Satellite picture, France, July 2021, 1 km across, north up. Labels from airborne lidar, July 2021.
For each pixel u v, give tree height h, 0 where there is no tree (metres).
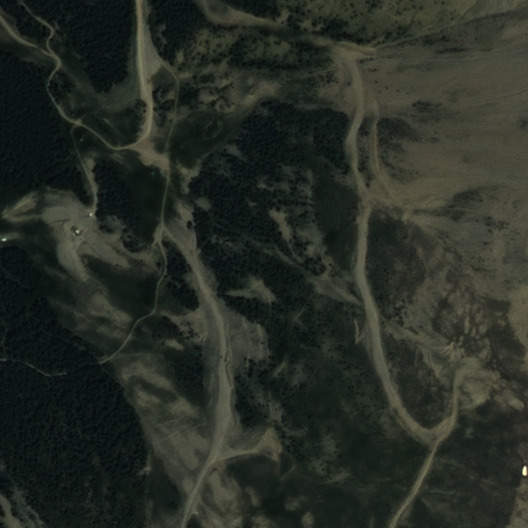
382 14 0
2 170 24
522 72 0
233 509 0
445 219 0
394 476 0
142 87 0
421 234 0
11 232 0
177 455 0
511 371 0
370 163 0
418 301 0
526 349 0
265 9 8
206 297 0
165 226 0
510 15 0
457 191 0
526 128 0
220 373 0
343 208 0
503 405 0
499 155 0
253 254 7
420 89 0
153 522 0
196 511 0
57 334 16
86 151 0
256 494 0
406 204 0
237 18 0
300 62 9
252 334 0
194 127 0
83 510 6
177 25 9
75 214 0
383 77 0
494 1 0
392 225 0
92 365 14
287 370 0
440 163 0
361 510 0
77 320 0
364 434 0
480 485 0
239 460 0
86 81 0
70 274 0
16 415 15
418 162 0
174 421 0
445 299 0
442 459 0
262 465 0
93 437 10
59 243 0
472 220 0
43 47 0
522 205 0
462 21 0
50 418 9
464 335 0
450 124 0
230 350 0
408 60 0
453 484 0
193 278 0
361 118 0
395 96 0
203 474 0
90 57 11
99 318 0
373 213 0
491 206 0
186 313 0
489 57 0
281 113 8
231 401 0
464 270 0
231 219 7
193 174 0
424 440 0
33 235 0
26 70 12
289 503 0
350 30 0
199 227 8
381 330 0
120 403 14
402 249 0
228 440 0
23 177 20
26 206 0
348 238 0
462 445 0
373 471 0
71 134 0
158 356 0
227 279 9
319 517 0
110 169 9
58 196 0
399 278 0
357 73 0
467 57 0
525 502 0
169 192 0
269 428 0
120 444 10
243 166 7
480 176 0
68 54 0
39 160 18
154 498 0
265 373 9
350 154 0
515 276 0
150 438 0
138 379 0
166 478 0
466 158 0
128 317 0
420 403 0
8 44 0
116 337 0
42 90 11
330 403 0
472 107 0
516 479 0
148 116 0
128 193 8
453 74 0
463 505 0
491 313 0
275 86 0
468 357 0
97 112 0
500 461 0
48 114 11
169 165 0
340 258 0
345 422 0
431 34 0
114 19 14
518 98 0
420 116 0
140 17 0
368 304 0
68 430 10
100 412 11
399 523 0
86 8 11
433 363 0
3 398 16
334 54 0
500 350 0
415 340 0
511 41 0
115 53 10
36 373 17
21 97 12
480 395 0
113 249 0
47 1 17
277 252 0
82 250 0
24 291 17
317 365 0
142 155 0
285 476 0
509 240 0
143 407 0
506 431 0
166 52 11
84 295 0
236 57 8
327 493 0
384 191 0
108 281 0
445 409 0
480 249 0
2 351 13
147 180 0
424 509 0
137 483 7
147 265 0
